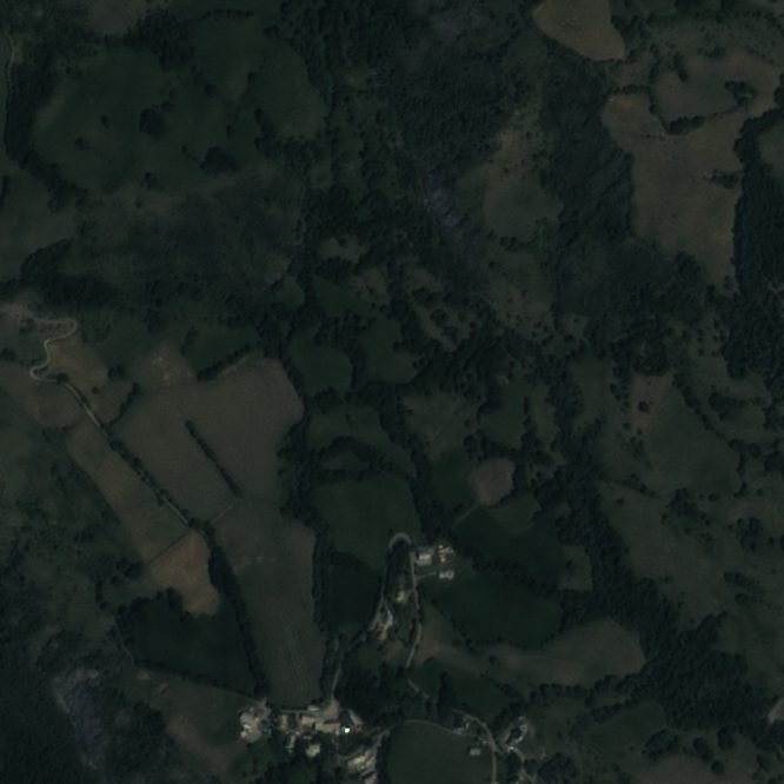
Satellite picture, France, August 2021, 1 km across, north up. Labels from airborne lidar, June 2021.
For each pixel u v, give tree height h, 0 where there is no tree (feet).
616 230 40
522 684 0
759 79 0
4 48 0
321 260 49
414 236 35
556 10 0
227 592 42
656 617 50
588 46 0
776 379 58
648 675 51
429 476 43
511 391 0
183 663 0
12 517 0
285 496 0
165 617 0
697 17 27
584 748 0
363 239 32
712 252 0
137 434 0
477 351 34
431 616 0
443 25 0
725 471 0
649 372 24
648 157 0
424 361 35
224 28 0
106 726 17
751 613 0
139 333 0
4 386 0
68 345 0
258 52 0
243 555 0
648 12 0
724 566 0
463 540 26
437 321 35
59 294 27
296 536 0
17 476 0
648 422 0
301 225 41
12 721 21
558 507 57
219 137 0
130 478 0
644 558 0
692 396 55
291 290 0
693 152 0
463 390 36
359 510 0
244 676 0
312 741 19
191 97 0
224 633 0
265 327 56
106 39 38
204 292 26
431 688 0
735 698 58
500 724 37
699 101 0
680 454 0
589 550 31
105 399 0
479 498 0
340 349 41
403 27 21
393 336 0
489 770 0
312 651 0
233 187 0
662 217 0
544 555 0
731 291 24
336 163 19
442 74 33
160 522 0
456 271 39
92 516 0
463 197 0
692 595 0
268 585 0
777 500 0
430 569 0
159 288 49
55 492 0
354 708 54
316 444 0
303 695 0
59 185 51
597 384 0
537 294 0
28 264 37
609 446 0
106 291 28
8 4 23
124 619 43
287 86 0
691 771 0
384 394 56
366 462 56
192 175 0
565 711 0
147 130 46
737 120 0
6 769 44
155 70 0
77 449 0
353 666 37
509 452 36
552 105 44
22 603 22
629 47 0
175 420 0
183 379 0
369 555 0
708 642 47
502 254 0
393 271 30
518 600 0
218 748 0
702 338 31
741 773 0
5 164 0
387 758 26
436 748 0
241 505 0
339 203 61
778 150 0
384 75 38
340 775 54
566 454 31
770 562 0
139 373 0
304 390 47
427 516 52
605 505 0
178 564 0
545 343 33
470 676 0
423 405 0
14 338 0
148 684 0
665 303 34
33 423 0
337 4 68
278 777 62
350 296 0
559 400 21
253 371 0
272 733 18
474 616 0
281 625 0
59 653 20
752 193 65
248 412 0
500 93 28
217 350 0
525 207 0
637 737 0
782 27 22
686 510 35
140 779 0
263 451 0
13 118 43
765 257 68
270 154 40
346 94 19
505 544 0
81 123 0
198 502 0
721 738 46
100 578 23
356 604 0
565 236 33
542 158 32
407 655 0
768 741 53
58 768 22
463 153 26
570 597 51
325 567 41
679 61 47
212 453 38
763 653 0
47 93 53
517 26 28
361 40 41
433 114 21
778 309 64
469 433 0
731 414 24
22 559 42
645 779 0
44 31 25
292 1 38
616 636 0
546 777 31
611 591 34
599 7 0
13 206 0
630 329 20
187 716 0
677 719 62
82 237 21
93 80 0
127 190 0
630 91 24
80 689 0
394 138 44
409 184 28
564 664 0
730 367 34
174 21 56
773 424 63
